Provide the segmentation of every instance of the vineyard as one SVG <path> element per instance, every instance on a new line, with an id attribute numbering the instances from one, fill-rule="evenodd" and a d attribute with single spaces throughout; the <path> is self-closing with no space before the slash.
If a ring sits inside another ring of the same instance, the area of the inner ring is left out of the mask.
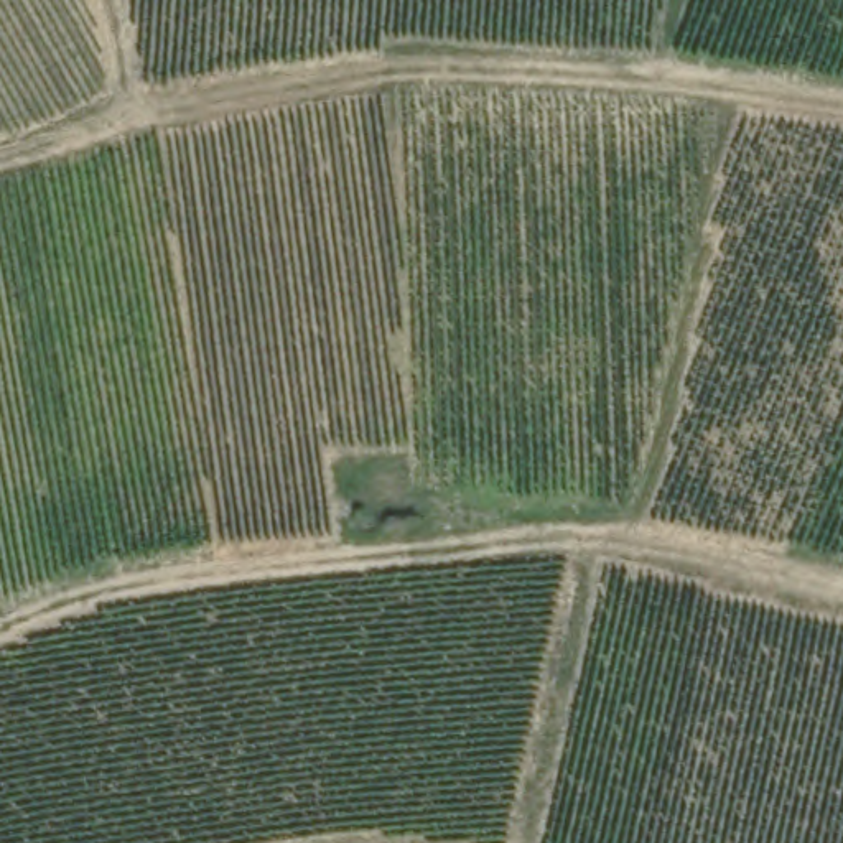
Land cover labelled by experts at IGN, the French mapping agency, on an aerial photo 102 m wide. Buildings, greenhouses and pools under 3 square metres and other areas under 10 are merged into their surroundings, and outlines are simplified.
<path id="1" fill-rule="evenodd" d="M 514 56 L 517 43 L 540 43 L 632 46 L 649 49 L 649 56 L 678 56 L 685 63 L 708 63 L 728 69 L 803 69 L 823 76 L 833 86 L 843 86 L 843 0 L 128 0 L 145 82 L 204 76 L 214 69 L 237 69 L 270 59 L 313 59 L 346 49 L 379 49 L 382 56 Z"/>
<path id="2" fill-rule="evenodd" d="M 201 135 L 158 138 L 155 128 L 142 128 L 119 142 L 53 158 L 49 148 L 59 138 L 59 132 L 102 115 L 99 105 L 92 105 L 89 99 L 102 89 L 105 72 L 99 63 L 95 20 L 89 13 L 89 0 L 0 0 L 0 616 L 7 616 L 16 603 L 13 593 L 33 583 L 82 583 L 125 570 L 155 570 L 165 560 L 165 550 L 191 550 L 198 543 L 310 533 L 342 537 L 346 543 L 402 543 L 425 537 L 501 530 L 517 524 L 675 520 L 685 527 L 744 533 L 757 540 L 784 540 L 794 560 L 843 570 L 843 128 L 787 122 L 771 115 L 748 119 L 731 102 L 678 92 L 550 82 L 385 82 L 375 89 L 349 89 L 300 99 L 293 112 L 227 122 L 224 128 Z"/>
<path id="3" fill-rule="evenodd" d="M 198 586 L 178 593 L 115 599 L 102 603 L 89 616 L 69 616 L 59 626 L 26 632 L 23 642 L 0 645 L 0 843 L 843 843 L 843 603 L 803 596 L 794 589 L 780 589 L 774 583 L 744 583 L 734 573 L 668 557 L 629 557 L 609 550 L 514 553 L 356 573 L 247 580 L 227 586 Z"/>

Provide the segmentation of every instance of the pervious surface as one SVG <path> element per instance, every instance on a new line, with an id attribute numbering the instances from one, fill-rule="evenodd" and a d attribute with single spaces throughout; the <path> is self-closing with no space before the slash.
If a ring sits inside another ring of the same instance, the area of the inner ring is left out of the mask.
<path id="1" fill-rule="evenodd" d="M 708 63 L 685 63 L 678 56 L 649 56 L 649 49 L 632 46 L 540 43 L 517 43 L 514 56 L 382 56 L 379 49 L 346 49 L 313 59 L 270 59 L 237 69 L 214 69 L 204 76 L 145 82 L 128 0 L 89 0 L 89 13 L 95 20 L 99 63 L 105 72 L 102 89 L 89 99 L 92 105 L 99 105 L 102 115 L 59 132 L 59 138 L 49 148 L 53 158 L 119 142 L 142 128 L 155 128 L 158 138 L 201 135 L 224 128 L 227 122 L 293 112 L 300 99 L 349 89 L 375 89 L 385 82 L 550 82 L 678 92 L 731 102 L 748 119 L 771 115 L 787 122 L 843 128 L 843 86 L 833 86 L 823 76 L 803 69 L 728 69 Z"/>
<path id="2" fill-rule="evenodd" d="M 247 580 L 356 573 L 514 553 L 609 550 L 629 557 L 668 557 L 734 573 L 744 583 L 774 583 L 780 589 L 794 589 L 803 596 L 843 603 L 843 570 L 794 560 L 784 540 L 757 540 L 744 533 L 685 527 L 675 520 L 517 524 L 501 530 L 425 537 L 402 543 L 346 543 L 342 537 L 310 533 L 198 543 L 191 550 L 165 550 L 165 560 L 155 570 L 125 570 L 82 583 L 33 583 L 13 593 L 16 603 L 7 616 L 0 616 L 0 645 L 23 642 L 26 632 L 59 626 L 69 616 L 89 616 L 102 603 L 115 599 L 178 593 L 198 586 L 227 586 Z"/>

